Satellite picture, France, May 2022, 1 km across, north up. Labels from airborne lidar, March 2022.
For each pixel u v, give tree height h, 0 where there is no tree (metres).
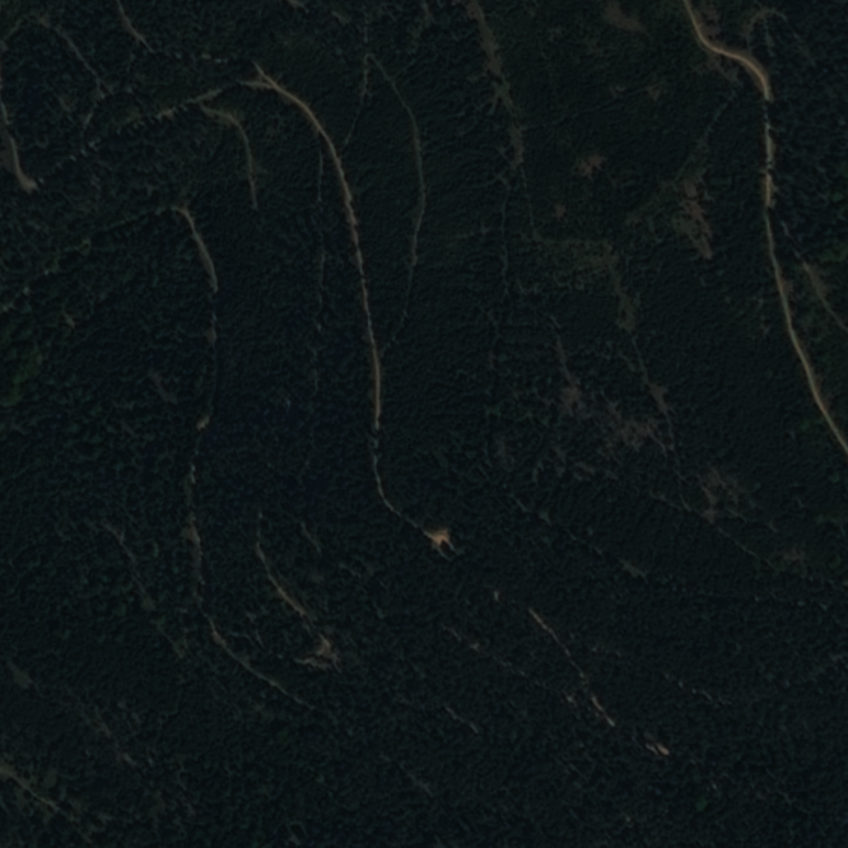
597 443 17
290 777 22
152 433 13
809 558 16
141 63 9
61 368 11
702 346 8
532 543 34
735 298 11
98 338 23
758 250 9
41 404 19
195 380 23
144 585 26
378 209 11
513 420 15
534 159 8
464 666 33
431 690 32
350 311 32
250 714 27
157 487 18
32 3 7
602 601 30
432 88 13
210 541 12
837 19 30
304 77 7
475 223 11
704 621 30
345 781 38
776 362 13
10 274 7
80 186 37
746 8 6
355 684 35
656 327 12
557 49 9
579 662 30
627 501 15
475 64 9
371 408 15
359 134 9
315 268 34
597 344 6
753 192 11
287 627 10
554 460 17
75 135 13
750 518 14
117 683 16
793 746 9
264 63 10
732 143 8
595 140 8
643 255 7
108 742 28
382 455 10
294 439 36
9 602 9
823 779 28
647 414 17
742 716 34
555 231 6
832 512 7
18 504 11
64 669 16
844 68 36
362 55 6
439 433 13
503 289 13
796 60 28
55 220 26
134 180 36
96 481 30
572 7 8
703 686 31
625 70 8
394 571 26
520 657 32
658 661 30
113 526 27
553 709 33
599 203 6
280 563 28
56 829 24
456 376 12
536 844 38
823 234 22
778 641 30
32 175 9
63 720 22
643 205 8
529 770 28
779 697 31
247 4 34
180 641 7
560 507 17
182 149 36
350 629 32
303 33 31
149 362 16
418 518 28
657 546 17
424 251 6
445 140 9
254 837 23
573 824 36
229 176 9
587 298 7
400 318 13
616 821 35
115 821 30
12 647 8
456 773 33
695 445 18
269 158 6
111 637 10
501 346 12
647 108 8
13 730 18
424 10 20
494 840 37
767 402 14
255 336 7
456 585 33
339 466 30
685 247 6
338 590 30
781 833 22
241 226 13
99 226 14
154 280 12
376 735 32
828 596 17
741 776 33
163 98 7
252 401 14
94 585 24
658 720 33
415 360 9
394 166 7
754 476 18
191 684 13
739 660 33
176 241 31
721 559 18
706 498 16
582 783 34
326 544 20
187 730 15
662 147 7
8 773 0
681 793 21
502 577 30
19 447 17
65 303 33
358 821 35
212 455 10
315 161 12
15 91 14
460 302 11
